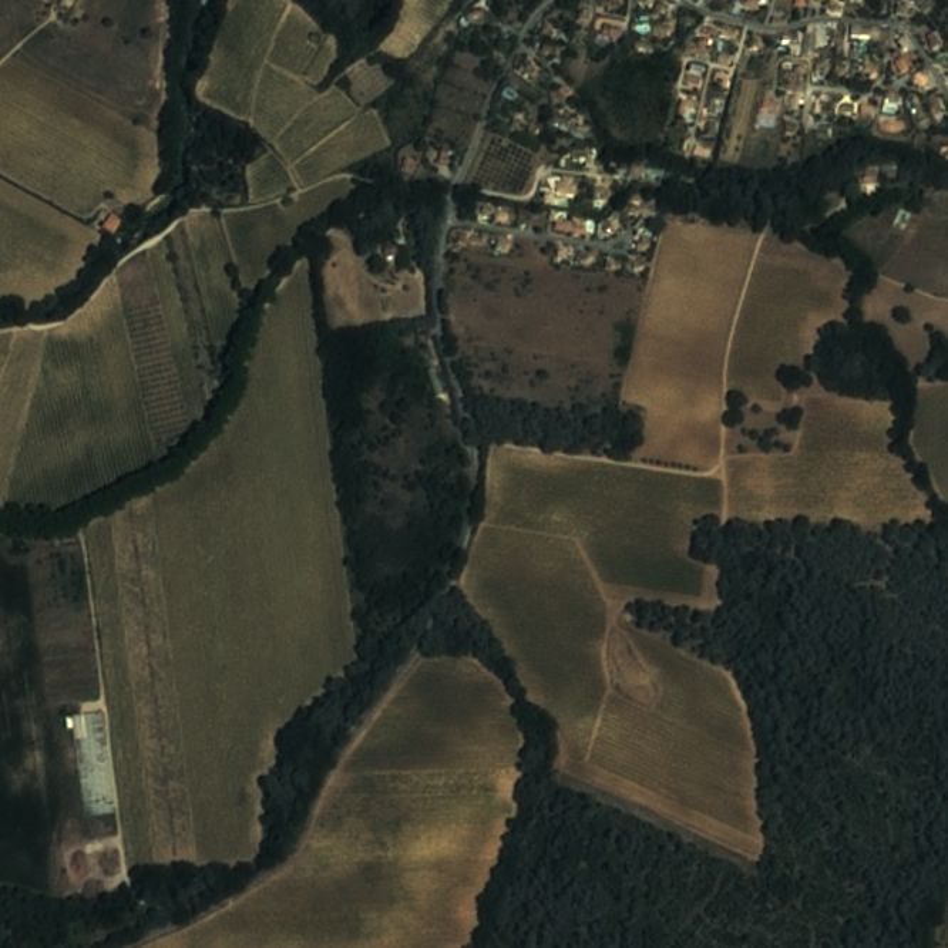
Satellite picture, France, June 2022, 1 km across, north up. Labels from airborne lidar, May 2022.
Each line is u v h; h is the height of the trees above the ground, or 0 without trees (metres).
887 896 21
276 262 18
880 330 22
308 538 0
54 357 0
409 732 0
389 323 12
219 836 0
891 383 12
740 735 0
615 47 8
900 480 0
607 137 9
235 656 0
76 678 0
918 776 8
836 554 22
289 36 0
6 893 15
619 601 0
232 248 0
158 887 19
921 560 23
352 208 16
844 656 6
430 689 0
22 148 0
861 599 19
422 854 0
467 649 13
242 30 0
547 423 20
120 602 0
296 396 0
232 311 0
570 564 0
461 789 0
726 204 20
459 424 12
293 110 0
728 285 0
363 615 9
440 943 0
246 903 0
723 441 0
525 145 13
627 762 0
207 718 0
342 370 13
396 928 0
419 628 19
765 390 0
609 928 17
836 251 21
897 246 0
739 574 20
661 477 0
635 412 9
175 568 0
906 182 12
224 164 15
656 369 0
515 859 15
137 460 0
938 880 22
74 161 0
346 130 0
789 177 16
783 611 6
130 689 0
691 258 0
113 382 0
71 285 8
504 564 0
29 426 0
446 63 11
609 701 0
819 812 7
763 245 0
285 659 0
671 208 15
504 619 0
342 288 0
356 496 6
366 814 0
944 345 16
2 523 30
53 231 0
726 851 0
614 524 0
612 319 0
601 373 0
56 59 0
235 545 0
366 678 14
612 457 16
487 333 0
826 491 0
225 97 0
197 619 0
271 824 16
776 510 0
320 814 0
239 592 0
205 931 0
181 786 0
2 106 0
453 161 10
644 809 0
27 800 0
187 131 19
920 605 21
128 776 0
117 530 0
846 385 12
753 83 0
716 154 7
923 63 7
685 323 0
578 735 0
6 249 0
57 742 0
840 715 19
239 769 0
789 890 12
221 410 24
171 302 0
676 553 0
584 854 10
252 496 0
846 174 14
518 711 15
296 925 0
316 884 0
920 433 0
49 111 0
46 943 7
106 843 0
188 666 0
